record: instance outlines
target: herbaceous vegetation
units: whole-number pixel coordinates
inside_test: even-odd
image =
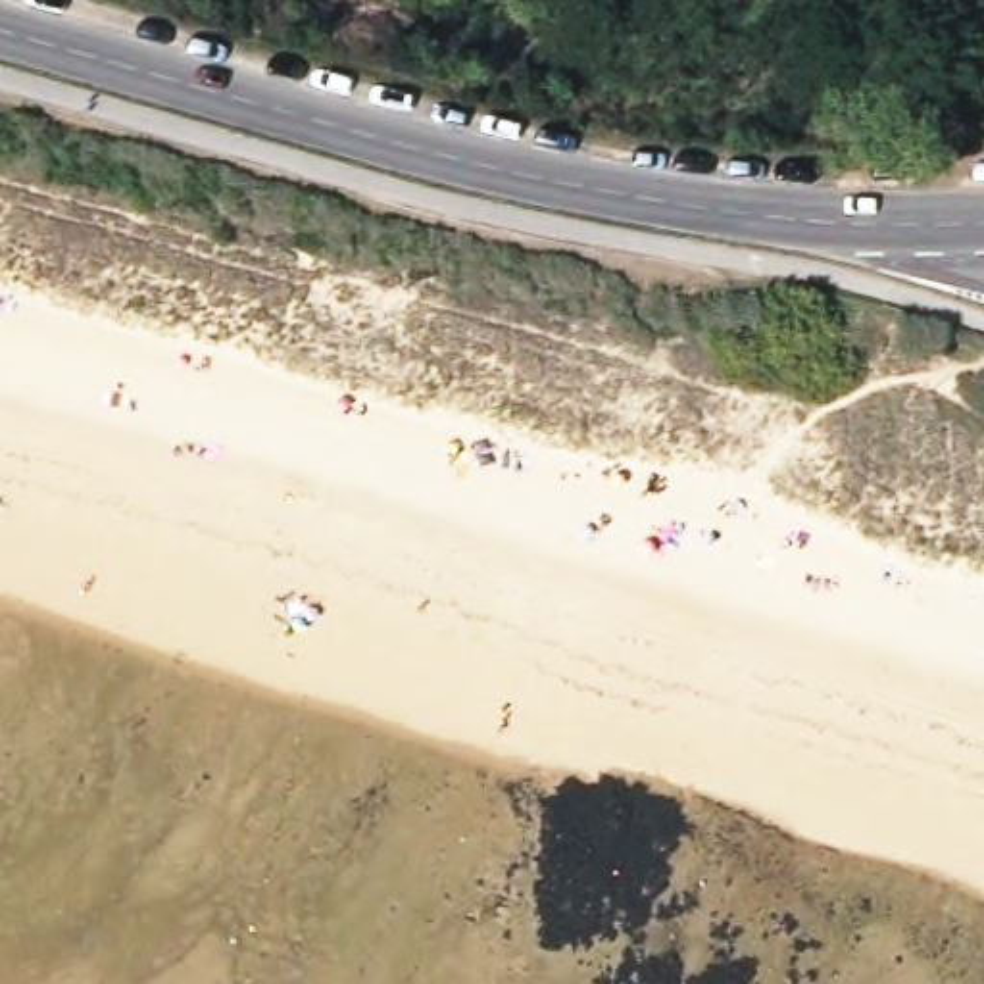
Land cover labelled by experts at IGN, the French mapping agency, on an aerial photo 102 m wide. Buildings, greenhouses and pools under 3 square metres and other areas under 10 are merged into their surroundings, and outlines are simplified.
[[[627,923],[627,930],[646,926],[650,899],[657,899],[657,892],[669,884],[669,861],[692,826],[677,796],[661,796],[642,780],[573,776],[542,800],[542,853],[534,899],[538,938],[546,949],[615,938],[615,923]]]
[[[657,957],[623,957],[619,969],[600,976],[600,984],[750,984],[757,972],[753,957],[734,957],[719,965],[711,961],[703,972],[684,972],[680,953],[665,949]]]
[[[815,404],[826,404],[857,388],[869,377],[869,357],[876,350],[903,350],[919,365],[934,357],[953,357],[961,350],[961,331],[969,327],[957,311],[846,292],[826,277],[761,277],[711,284],[700,292],[688,292],[684,284],[669,281],[638,284],[627,269],[603,265],[580,250],[488,238],[454,223],[431,223],[404,211],[369,208],[365,200],[331,185],[258,173],[231,158],[192,154],[165,138],[73,127],[38,104],[0,104],[0,169],[8,165],[15,177],[27,181],[111,192],[131,200],[138,211],[196,211],[200,227],[219,242],[308,250],[331,258],[338,273],[373,273],[400,265],[407,269],[411,284],[423,277],[446,281],[450,304],[480,311],[507,308],[515,319],[554,331],[569,331],[573,319],[615,319],[623,323],[627,342],[646,350],[653,350],[661,338],[696,331],[711,338],[715,381],[746,392],[780,392]]]

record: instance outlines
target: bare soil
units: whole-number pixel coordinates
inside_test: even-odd
[[[200,227],[196,211],[138,211],[131,200],[111,192],[27,181],[15,177],[8,165],[0,169],[0,984],[600,984],[600,976],[619,969],[623,957],[657,957],[665,949],[680,953],[684,972],[703,972],[711,961],[719,965],[734,957],[753,957],[757,972],[750,984],[984,984],[984,369],[961,373],[957,392],[949,400],[919,384],[876,392],[865,404],[830,415],[823,423],[826,442],[803,442],[796,427],[800,419],[807,419],[815,404],[780,392],[746,392],[715,381],[711,338],[696,331],[661,338],[653,350],[646,350],[627,342],[623,323],[615,319],[573,319],[569,331],[554,331],[515,319],[507,308],[480,311],[450,304],[446,281],[423,277],[411,284],[407,269],[400,265],[373,273],[338,273],[331,258],[308,250],[219,242]],[[627,923],[615,923],[615,938],[546,949],[538,938],[534,899],[542,853],[542,800],[573,776],[642,780],[661,796],[677,796],[692,826],[669,861],[669,884],[657,892],[657,899],[650,899],[646,926],[627,930]]]

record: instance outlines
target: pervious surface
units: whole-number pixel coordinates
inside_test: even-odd
[[[961,350],[953,357],[934,357],[919,365],[903,350],[876,350],[869,357],[869,377],[857,388],[826,404],[815,404],[807,419],[800,419],[796,427],[803,442],[826,442],[823,423],[830,415],[865,404],[876,392],[919,384],[949,400],[957,392],[961,373],[984,369],[984,331],[969,327],[961,331]]]

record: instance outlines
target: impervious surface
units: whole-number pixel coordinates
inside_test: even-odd
[[[142,35],[142,19],[131,4],[108,0],[0,0],[0,104],[38,104],[73,127],[165,138],[192,154],[231,158],[258,173],[331,185],[365,200],[369,208],[404,211],[431,223],[454,223],[488,238],[580,250],[603,265],[627,269],[638,284],[669,281],[684,284],[688,292],[700,292],[711,284],[761,277],[826,277],[846,292],[957,311],[969,327],[984,331],[984,165],[976,165],[976,158],[961,158],[934,185],[911,185],[884,173],[788,181],[776,173],[750,173],[746,161],[719,161],[711,173],[692,173],[657,154],[638,154],[611,142],[580,142],[577,150],[565,150],[538,127],[519,127],[492,115],[442,111],[434,100],[388,100],[377,85],[361,85],[327,69],[311,69],[308,77],[281,77],[269,69],[261,54],[211,46],[192,38],[188,31],[177,31],[169,42],[158,42]]]

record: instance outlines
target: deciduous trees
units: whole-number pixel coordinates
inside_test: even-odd
[[[884,173],[911,185],[934,185],[961,158],[976,158],[976,165],[984,165],[984,0],[108,0],[131,4],[142,19],[142,35],[158,42],[169,42],[177,31],[188,31],[192,38],[211,46],[261,54],[269,69],[281,77],[308,77],[311,69],[327,69],[361,85],[377,85],[388,100],[434,100],[442,111],[492,115],[519,127],[538,127],[565,150],[577,150],[580,142],[611,142],[638,154],[657,154],[692,173],[711,173],[719,161],[746,161],[750,173],[776,173],[788,181]]]

